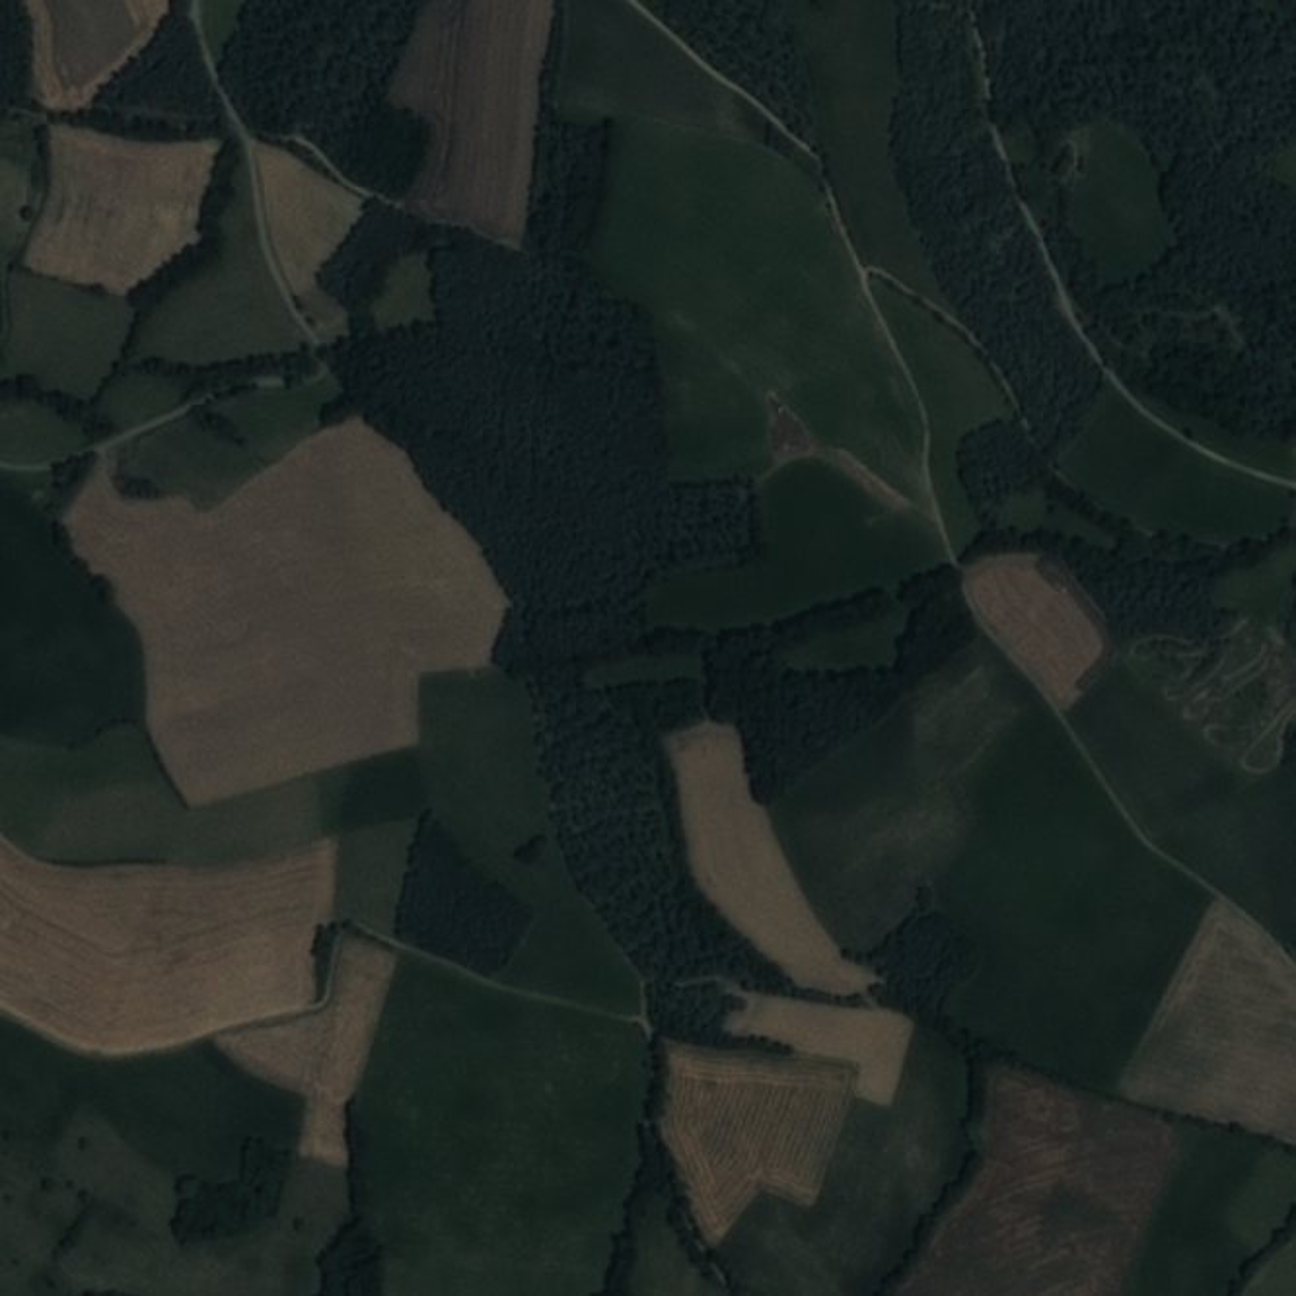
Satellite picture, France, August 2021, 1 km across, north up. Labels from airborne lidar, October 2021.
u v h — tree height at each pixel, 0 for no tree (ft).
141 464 0
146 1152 0
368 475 0
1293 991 0
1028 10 37
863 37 0
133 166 0
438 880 40
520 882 0
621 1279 55
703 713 31
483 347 44
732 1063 0
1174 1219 0
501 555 46
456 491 45
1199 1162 0
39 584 0
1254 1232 0
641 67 0
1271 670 0
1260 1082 0
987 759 0
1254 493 0
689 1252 30
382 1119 0
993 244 33
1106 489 0
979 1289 0
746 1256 0
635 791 44
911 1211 0
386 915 0
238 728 0
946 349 0
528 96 0
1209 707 0
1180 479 0
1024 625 0
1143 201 0
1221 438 0
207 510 0
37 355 0
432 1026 0
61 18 0
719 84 0
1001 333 27
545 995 0
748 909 0
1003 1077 0
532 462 39
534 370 48
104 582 38
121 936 0
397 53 49
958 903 0
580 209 54
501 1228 0
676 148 0
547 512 52
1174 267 48
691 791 0
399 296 0
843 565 0
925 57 33
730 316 0
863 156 0
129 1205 0
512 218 0
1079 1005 0
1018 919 0
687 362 0
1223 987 0
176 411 0
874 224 0
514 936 31
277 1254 0
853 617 59
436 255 40
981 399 0
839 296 0
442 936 38
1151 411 0
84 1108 0
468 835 0
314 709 0
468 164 0
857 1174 0
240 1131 0
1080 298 42
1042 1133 0
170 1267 0
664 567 69
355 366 66
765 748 53
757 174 0
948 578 51
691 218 0
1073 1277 0
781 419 0
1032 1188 0
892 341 0
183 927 0
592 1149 0
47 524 0
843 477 0
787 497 0
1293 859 0
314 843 0
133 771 0
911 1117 0
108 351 0
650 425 54
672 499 60
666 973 33
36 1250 0
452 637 0
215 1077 0
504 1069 0
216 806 0
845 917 0
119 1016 0
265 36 29
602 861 44
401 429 63
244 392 38
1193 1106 0
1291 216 37
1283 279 57
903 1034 0
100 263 0
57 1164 0
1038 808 0
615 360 59
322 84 39
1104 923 0
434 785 0
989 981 0
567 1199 0
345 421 38
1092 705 0
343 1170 0
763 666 70
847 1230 0
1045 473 45
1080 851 0
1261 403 33
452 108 0
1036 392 40
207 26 0
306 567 0
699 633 35
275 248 0
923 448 0
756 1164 0
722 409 0
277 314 0
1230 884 0
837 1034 0
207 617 0
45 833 0
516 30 0
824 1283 0
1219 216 59
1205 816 0
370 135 40
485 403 50
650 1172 43
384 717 0
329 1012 0
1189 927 0
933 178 39
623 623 64
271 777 0
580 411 55
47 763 0
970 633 24
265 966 0
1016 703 0
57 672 0
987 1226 0
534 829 0
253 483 0
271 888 0
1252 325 31
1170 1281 0
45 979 0
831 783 0
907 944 44
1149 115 44
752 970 35
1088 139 0
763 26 54
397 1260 0
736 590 0
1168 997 0
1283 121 37
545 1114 0
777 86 31
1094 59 28
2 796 0
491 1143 0
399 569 0
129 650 0
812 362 0
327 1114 0
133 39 0
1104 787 0
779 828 0
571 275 51
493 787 0
